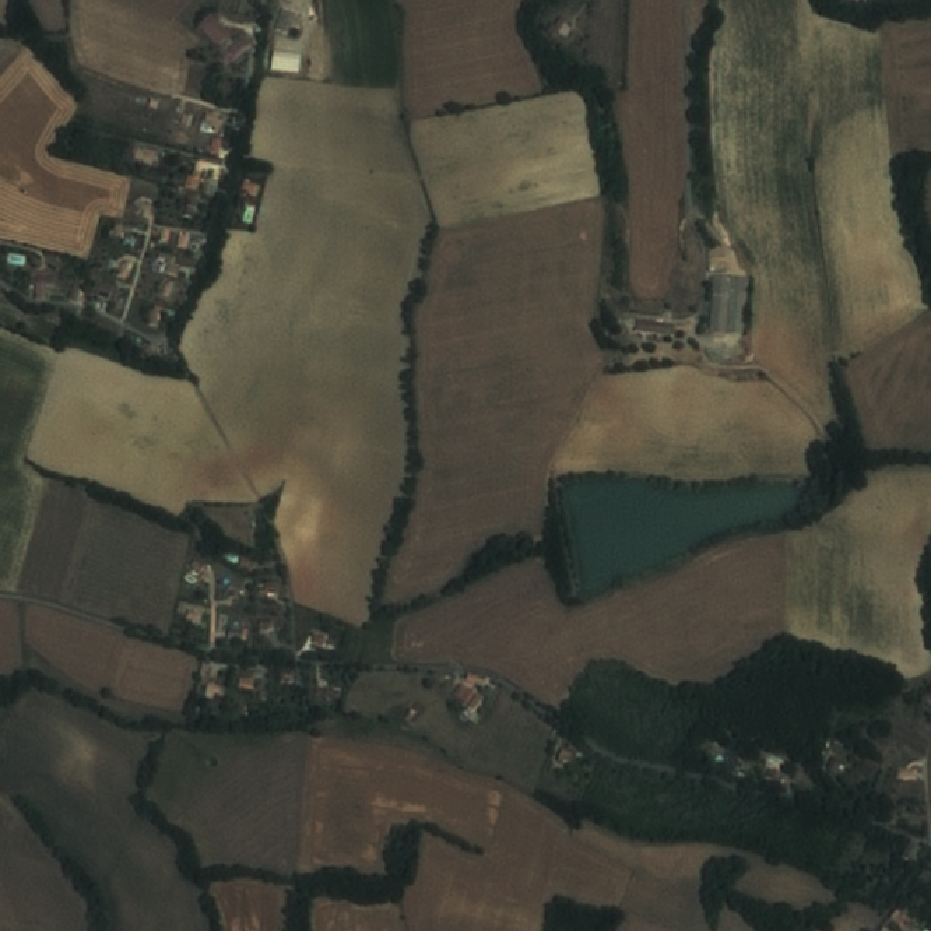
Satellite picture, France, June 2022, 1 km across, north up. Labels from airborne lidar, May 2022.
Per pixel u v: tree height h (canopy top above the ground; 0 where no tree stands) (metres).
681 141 0
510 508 0
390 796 0
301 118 0
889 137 0
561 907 12
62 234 0
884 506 0
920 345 0
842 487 19
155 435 0
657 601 0
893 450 12
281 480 0
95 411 0
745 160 0
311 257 0
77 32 0
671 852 0
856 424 12
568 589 8
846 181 0
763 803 11
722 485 10
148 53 0
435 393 0
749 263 0
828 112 0
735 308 0
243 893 0
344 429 0
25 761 0
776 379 0
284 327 0
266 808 0
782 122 0
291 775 0
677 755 12
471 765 0
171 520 14
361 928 0
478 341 0
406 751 0
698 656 0
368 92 0
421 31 0
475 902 0
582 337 0
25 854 0
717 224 0
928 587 17
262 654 12
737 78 0
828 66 0
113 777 0
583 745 10
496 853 0
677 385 0
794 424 0
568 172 0
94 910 18
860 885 10
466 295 0
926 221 12
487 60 0
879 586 0
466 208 0
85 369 0
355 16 0
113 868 0
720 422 0
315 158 0
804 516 20
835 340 0
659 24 0
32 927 0
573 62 11
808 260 0
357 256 0
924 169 15
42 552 0
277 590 0
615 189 8
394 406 0
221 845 0
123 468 0
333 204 0
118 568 0
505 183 0
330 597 0
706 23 9
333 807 0
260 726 13
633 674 7
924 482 0
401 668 9
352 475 0
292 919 14
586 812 10
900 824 5
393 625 0
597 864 0
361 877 15
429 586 0
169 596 0
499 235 0
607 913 15
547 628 0
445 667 0
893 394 0
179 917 0
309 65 0
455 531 0
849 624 0
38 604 0
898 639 0
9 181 0
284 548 0
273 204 0
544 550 13
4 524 0
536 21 7
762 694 15
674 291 0
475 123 0
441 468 0
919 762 0
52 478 8
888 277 0
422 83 0
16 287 8
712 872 16
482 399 0
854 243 0
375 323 0
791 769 15
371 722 0
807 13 0
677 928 0
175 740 0
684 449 0
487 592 0
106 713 15
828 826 7
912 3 16
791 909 13
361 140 0
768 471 0
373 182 0
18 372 0
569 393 0
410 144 0
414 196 0
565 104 0
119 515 0
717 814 8
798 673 16
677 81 0
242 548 11
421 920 0
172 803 0
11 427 0
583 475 9
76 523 0
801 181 0
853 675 20
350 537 0
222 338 0
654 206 0
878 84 0
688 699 11
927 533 0
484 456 0
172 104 0
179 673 0
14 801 13
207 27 0
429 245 14
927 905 6
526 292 0
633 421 0
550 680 0
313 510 0
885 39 0
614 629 0
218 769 0
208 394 0
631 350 10
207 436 0
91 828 0
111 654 0
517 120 0
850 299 0
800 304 0
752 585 0
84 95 6
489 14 0
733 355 0
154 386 0
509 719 0
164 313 10
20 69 0
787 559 0
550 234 0
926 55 0
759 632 0
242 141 16
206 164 0
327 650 12
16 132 0
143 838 0
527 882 0
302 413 0
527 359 0
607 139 14
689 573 0
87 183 0
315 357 0
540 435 0
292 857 0
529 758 0
